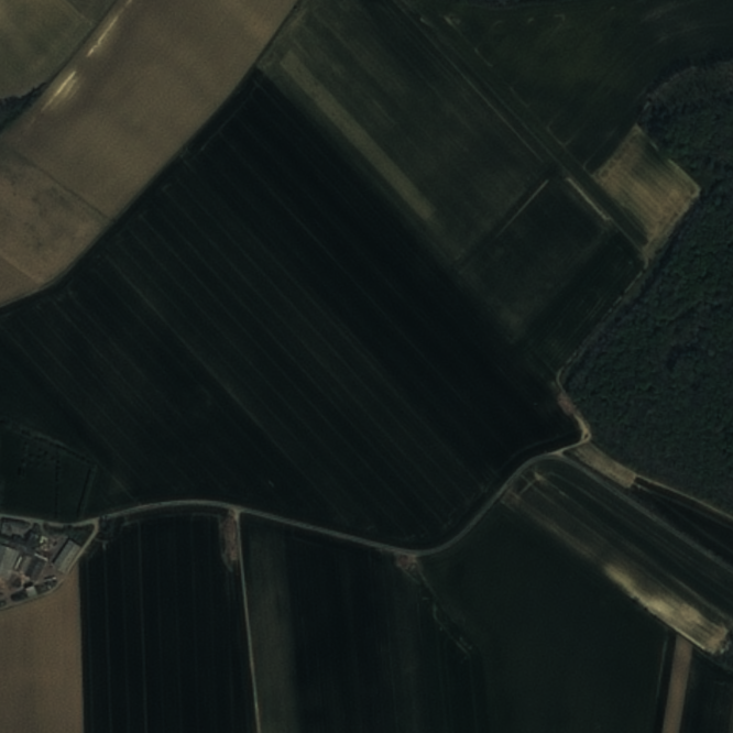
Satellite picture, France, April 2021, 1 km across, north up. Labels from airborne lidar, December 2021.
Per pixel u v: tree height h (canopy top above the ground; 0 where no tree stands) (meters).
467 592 0
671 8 0
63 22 0
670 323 18
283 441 0
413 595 0
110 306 0
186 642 0
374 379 0
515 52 0
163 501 0
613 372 21
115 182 0
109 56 0
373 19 0
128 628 0
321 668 0
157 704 0
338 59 0
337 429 0
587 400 17
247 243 0
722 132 22
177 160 0
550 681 0
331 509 0
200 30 0
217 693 0
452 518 0
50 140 0
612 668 0
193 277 0
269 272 0
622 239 0
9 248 0
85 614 0
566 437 0
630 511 0
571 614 0
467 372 0
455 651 0
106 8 0
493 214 0
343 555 0
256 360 0
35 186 0
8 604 0
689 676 0
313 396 0
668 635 0
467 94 0
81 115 0
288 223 0
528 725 0
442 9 0
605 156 0
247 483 0
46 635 0
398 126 0
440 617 0
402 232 0
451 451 0
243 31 0
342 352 0
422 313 0
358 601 0
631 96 0
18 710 0
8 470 0
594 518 0
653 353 24
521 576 0
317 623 0
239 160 0
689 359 24
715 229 23
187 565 0
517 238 0
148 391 0
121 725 0
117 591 0
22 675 0
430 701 0
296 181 0
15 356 0
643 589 0
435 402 0
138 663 0
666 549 0
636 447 20
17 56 0
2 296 0
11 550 0
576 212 0
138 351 0
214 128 0
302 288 0
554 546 0
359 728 0
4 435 0
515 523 0
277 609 0
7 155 0
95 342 0
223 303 0
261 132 0
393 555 0
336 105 0
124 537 0
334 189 0
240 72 0
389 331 0
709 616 0
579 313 0
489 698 0
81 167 0
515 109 0
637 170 0
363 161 0
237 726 0
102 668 0
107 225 0
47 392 0
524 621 0
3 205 0
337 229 0
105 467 0
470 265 0
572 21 0
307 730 0
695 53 0
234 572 0
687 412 23
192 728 0
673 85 28
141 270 0
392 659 0
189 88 0
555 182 0
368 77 0
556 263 0
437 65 0
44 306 0
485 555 0
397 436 0
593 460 0
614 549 0
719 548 0
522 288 0
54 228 0
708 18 0
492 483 0
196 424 0
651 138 18
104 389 0
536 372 0
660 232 0
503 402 0
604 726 0
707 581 0
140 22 0
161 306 0
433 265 0
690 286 23
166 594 0
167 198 0
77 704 0
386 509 0
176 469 0
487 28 0
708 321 21
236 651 0
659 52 0
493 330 0
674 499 0
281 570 0
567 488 0
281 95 0
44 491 0
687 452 19
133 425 0
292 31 0
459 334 0
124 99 0
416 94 0
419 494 0
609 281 0
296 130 0
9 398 0
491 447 0
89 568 0
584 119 0
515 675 0
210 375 0
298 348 0
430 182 0
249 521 0
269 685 0
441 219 0
